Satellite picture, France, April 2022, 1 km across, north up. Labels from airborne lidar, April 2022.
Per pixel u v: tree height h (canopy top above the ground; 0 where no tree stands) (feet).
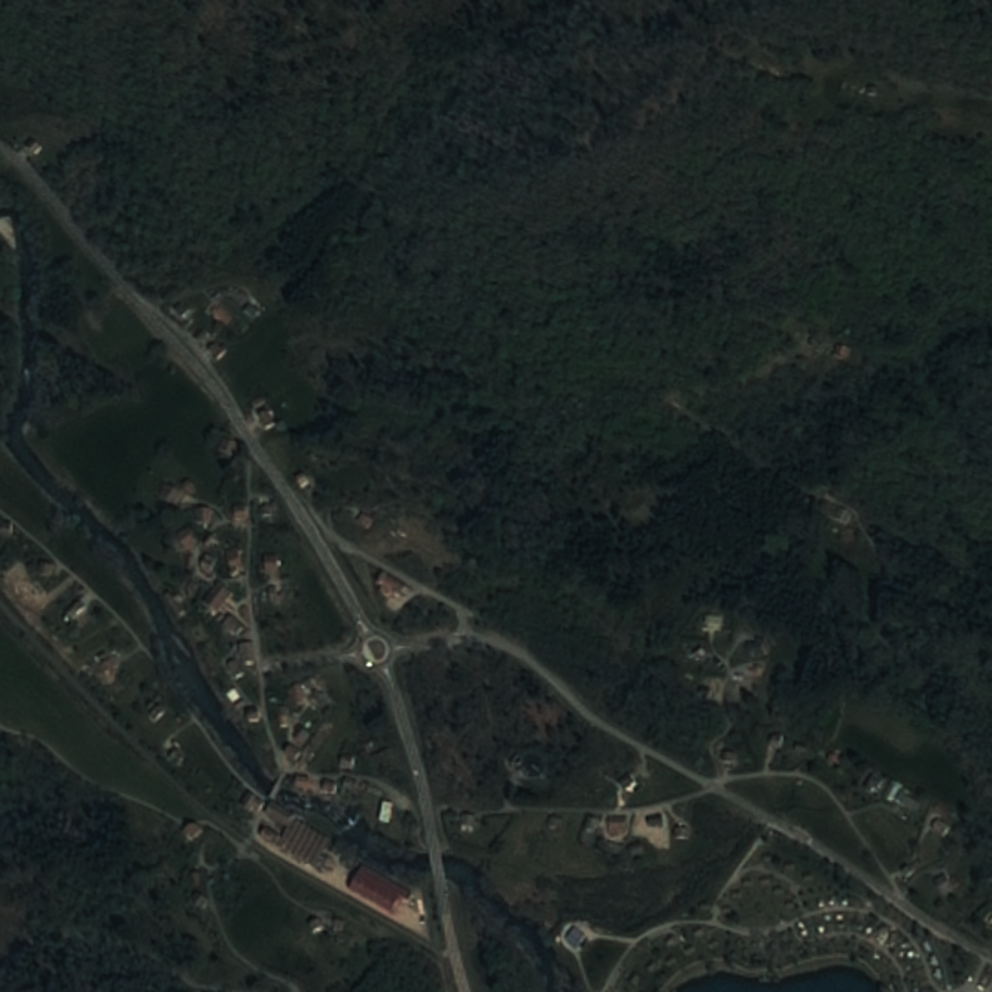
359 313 27
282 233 28
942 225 80
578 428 32
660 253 60
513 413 37
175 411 0
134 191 76
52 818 82
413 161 66
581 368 47
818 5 54
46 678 0
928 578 115
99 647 0
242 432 0
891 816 0
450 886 0
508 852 0
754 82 49
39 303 79
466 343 48
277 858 0
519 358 43
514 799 67
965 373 70
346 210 103
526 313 51
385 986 42
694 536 84
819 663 90
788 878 0
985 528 55
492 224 40
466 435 50
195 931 0
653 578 64
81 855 102
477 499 93
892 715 39
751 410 56
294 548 0
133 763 0
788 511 28
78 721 0
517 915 40
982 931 41
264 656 0
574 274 58
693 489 86
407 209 63
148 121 73
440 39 40
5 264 55
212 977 0
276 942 0
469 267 69
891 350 74
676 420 62
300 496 0
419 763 0
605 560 60
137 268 71
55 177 33
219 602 0
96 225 22
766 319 44
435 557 0
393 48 68
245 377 0
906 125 70
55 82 54
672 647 59
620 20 85
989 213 77
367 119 74
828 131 66
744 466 22
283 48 80
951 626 89
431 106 30
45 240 53
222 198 36
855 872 0
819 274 65
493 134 83
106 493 0
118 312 0
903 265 69
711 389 23
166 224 69
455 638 0
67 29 42
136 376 0
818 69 0
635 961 0
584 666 19
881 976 0
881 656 92
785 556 101
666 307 26
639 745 0
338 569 0
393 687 0
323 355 0
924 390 68
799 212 60
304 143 68
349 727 0
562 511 81
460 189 65
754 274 50
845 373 24
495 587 36
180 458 0
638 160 54
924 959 0
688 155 65
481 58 108
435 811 0
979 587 59
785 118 52
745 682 0
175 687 68
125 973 67
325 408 40
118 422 0
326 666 34
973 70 39
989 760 77
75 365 51
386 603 0
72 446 0
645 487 56
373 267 25
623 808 0
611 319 61
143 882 72
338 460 49
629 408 51
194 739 0
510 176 61
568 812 0
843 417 125
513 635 54
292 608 0
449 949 0
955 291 69
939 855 0
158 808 0
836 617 92
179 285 45
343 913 0
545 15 30
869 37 60
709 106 58
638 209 71
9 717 0
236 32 46
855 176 64
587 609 35
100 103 60
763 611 96
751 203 60
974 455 59
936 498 41
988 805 37
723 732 37
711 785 0
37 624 0
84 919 45
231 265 31
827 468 93
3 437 49
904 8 62
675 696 61
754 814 0
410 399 95
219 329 27
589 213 68
